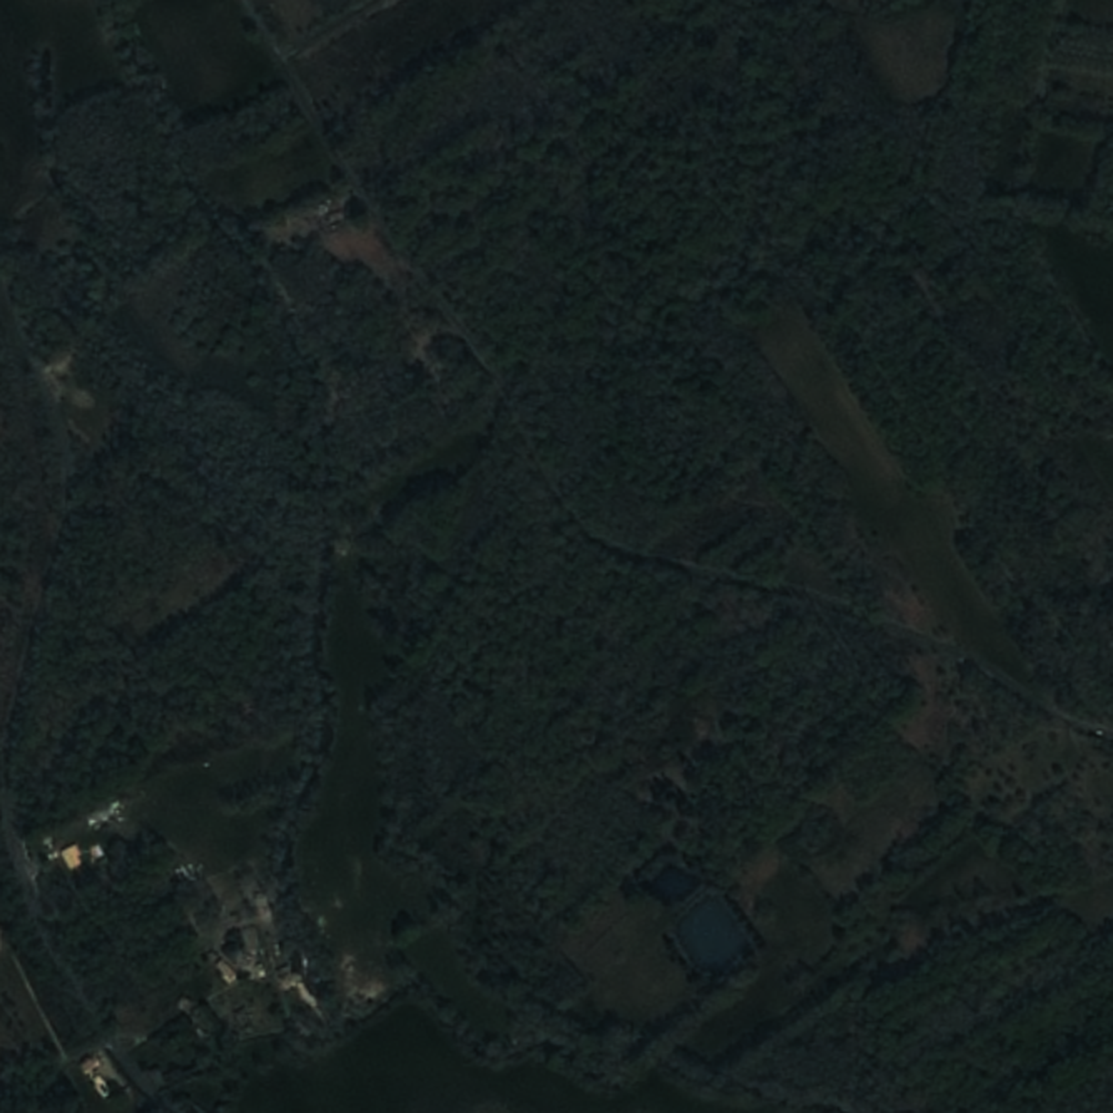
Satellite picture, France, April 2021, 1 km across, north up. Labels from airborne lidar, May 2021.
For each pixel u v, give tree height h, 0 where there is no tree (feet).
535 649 45
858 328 64
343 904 0
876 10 32
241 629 69
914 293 61
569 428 68
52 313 60
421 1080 0
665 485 88
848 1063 64
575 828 37
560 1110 0
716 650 50
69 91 0
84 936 45
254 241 96
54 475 53
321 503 20
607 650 70
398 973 59
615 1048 60
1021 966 52
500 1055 46
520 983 64
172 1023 23
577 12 67
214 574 0
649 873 51
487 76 50
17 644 61
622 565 65
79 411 0
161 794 0
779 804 77
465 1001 0
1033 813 27
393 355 50
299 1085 0
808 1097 69
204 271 41
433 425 46
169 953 62
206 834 0
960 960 52
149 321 0
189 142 58
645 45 55
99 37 0
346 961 0
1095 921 0
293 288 58
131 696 21
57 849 42
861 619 52
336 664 0
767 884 0
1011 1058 47
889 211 70
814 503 57
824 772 53
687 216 58
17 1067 67
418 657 71
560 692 48
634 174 51
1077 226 74
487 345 50
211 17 0
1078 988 83
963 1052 73
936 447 51
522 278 57
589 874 30
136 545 50
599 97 76
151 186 72
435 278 46
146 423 80
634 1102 0
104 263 49
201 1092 0
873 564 43
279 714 66
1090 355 34
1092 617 59
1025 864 41
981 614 0
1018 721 43
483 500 42
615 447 53
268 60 0
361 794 0
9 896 71
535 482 46
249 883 53
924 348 81
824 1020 44
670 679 41
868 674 80
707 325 63
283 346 35
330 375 64
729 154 42
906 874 69
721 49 82
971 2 20
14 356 40
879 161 74
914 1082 75
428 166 76
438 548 81
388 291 44
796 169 62
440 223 54
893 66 0
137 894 61
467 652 73
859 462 0
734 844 69
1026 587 66
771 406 42
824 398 0
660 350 51
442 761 46
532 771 55
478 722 46
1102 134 54
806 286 57
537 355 64
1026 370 60
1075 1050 40
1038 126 51
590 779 37
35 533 35
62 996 75
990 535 56
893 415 69
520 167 71
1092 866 42
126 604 76
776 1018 0
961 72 70
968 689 32
